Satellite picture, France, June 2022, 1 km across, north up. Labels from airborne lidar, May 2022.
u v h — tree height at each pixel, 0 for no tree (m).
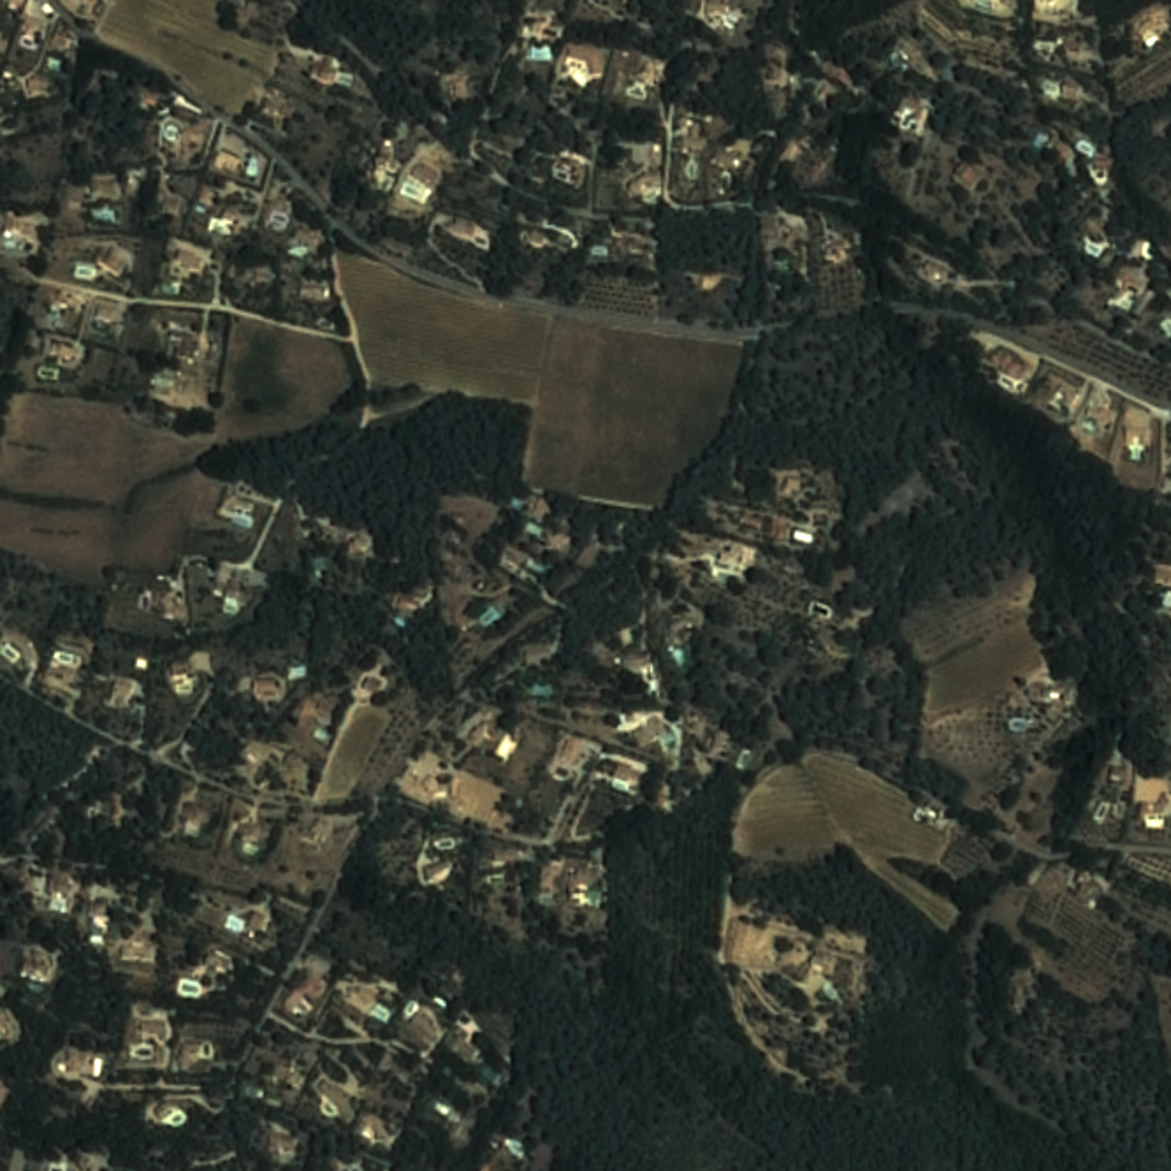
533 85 19
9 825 19
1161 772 20
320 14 20
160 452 0
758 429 15
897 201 13
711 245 19
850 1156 13
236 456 15
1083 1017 9
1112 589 24
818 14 16
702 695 18
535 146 19
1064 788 8
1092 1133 21
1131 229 18
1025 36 8
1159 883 7
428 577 13
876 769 15
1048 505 14
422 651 17
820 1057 17
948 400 22
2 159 7
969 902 17
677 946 7
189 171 7
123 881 6
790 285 15
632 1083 20
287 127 11
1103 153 7
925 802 15
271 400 0
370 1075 8
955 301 8
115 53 13
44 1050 7
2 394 13
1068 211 8
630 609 18
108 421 0
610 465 0
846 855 17
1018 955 15
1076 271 16
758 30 10
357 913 10
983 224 13
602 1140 19
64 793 10
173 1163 8
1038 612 10
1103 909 8
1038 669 0
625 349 0
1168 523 7
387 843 14
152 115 9
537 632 8
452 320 0
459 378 0
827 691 18
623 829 15
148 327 0
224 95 0
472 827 15
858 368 13
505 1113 19
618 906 15
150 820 16
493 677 14
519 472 12
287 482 17
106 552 0
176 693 0
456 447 17
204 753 10
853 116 7
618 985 12
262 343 0
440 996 10
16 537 0
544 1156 0
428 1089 9
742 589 9
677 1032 12
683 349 0
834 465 10
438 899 11
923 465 15
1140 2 7
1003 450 21
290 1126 7
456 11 14
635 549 16
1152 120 19
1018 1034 20
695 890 10
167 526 0
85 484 0
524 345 0
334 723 9
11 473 0
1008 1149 14
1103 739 19
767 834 0
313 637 15
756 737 21
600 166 7
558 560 18
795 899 12
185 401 0
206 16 0
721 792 19
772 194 18
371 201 14
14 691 6
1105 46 10
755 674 20
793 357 13
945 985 21
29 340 6
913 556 21
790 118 6
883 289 15
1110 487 20
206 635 9
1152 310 7
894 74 6
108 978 16
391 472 16
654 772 16
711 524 9
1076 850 11
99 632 10
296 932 14
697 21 9
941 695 0
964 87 18
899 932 19
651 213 7
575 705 9
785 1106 11
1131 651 9
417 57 15
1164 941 15
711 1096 11
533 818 18
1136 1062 17
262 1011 7
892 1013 8
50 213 12
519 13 7
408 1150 10
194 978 0
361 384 11
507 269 16
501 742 0
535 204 18
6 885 8
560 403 0
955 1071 8
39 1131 8
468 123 19
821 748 19
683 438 0
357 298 0
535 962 13
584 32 12
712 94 21
